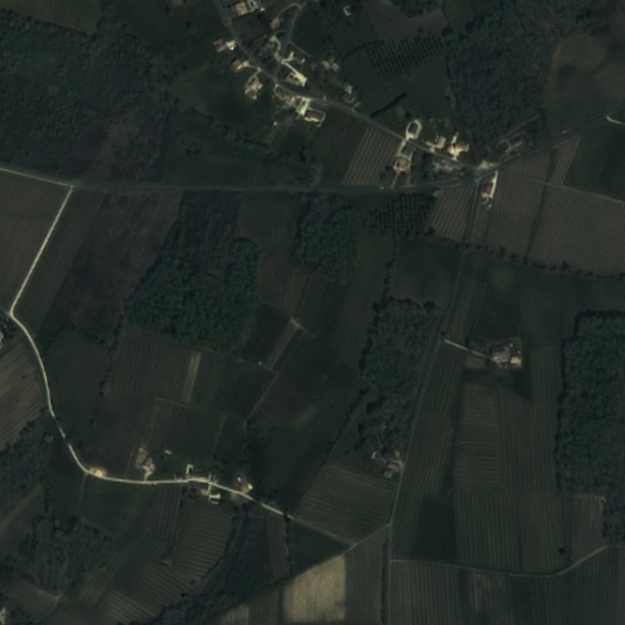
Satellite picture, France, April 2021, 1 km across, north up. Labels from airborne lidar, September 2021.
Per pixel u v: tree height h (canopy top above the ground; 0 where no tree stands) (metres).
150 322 20
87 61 8
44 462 13
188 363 0
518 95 21
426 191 0
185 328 24
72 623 0
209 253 7
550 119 0
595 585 0
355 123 0
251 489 0
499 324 0
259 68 0
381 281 0
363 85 0
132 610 0
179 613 18
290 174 7
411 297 0
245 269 20
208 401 0
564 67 0
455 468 0
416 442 0
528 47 19
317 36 0
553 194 0
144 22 0
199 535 0
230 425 0
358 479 0
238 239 7
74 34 13
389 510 0
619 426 25
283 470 0
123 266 0
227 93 0
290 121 0
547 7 19
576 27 9
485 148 17
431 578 0
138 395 0
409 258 0
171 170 0
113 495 0
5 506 19
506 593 0
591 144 0
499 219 0
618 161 0
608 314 0
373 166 0
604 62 0
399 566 0
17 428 0
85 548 21
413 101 0
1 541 0
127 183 0
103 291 0
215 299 16
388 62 14
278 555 0
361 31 0
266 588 5
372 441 17
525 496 0
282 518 0
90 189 0
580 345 17
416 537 0
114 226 0
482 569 0
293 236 0
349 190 0
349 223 17
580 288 0
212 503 0
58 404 0
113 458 0
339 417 0
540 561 0
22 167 0
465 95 11
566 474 20
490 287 0
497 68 19
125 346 0
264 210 0
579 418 20
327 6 11
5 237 0
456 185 0
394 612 0
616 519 19
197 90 0
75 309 0
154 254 0
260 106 0
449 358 0
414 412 9
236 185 0
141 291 15
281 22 0
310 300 0
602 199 0
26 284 0
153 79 16
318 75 11
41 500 0
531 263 9
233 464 0
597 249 0
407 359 17
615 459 20
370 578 0
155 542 0
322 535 0
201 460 0
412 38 8
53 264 0
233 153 9
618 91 0
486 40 20
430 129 0
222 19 0
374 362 25
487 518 0
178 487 0
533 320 0
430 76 0
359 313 0
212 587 6
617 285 0
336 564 0
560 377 0
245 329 18
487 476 0
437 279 0
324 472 0
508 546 0
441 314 17
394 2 14
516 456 0
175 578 0
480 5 13
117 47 7
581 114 0
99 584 0
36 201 0
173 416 0
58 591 17
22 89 6
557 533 0
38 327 0
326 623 0
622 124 0
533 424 0
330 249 20
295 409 0
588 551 0
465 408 0
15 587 0
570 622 0
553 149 0
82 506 0
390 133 0
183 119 11
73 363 0
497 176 0
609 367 22
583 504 0
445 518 0
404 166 0
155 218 0
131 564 0
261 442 0
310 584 0
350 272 11
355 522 0
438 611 0
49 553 17
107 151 0
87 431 0
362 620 0
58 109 8
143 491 0
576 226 0
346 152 0
